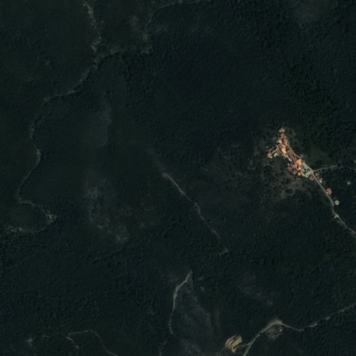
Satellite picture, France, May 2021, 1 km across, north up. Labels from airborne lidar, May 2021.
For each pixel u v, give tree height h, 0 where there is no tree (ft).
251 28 49
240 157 20
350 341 33
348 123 69
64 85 22
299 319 44
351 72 37
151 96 31
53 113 28
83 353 25
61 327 31
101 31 22
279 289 28
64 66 36
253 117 39
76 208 39
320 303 39
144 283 27
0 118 35
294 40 59
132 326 41
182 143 24
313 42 42
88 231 23
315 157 0
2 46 30
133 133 19
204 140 30
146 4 22
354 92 37
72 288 41
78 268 48
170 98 23
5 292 33
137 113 19
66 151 18
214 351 0
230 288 31
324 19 37
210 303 24
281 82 54
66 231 27
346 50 41
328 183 25
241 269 21
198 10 48
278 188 25
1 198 48
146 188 31
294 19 48
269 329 0
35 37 38
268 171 35
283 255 64
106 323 18
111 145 31
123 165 24
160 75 18
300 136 42
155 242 45
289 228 37
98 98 34
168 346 21
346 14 72
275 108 40
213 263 31
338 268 55
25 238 42
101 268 67
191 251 43
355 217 34
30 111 47
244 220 33
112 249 48
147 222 21
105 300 46
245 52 49
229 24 59
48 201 24
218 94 34
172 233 46
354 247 55
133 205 20
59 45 23
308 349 30
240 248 45
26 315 34
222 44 31
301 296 46
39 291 24
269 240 47
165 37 34
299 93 75
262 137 34
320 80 67
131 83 74
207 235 48
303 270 59
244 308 24
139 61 86
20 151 34
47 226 57
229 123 26
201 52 35
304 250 43
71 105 25
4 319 32
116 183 18
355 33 67
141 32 20
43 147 48
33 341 25
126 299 52
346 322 39
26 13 27
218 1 58
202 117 18
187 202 26
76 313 39
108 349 22
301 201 42
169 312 27
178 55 51
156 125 24
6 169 29
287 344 19
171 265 23
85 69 52
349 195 44
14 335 36
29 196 40
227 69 29
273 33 81
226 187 20
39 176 21
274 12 77
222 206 27
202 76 37
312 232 45
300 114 40
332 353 30
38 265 25
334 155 46
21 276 32
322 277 45
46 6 19
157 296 31
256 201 23
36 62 41
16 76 22
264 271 55
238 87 29
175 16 46
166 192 21
